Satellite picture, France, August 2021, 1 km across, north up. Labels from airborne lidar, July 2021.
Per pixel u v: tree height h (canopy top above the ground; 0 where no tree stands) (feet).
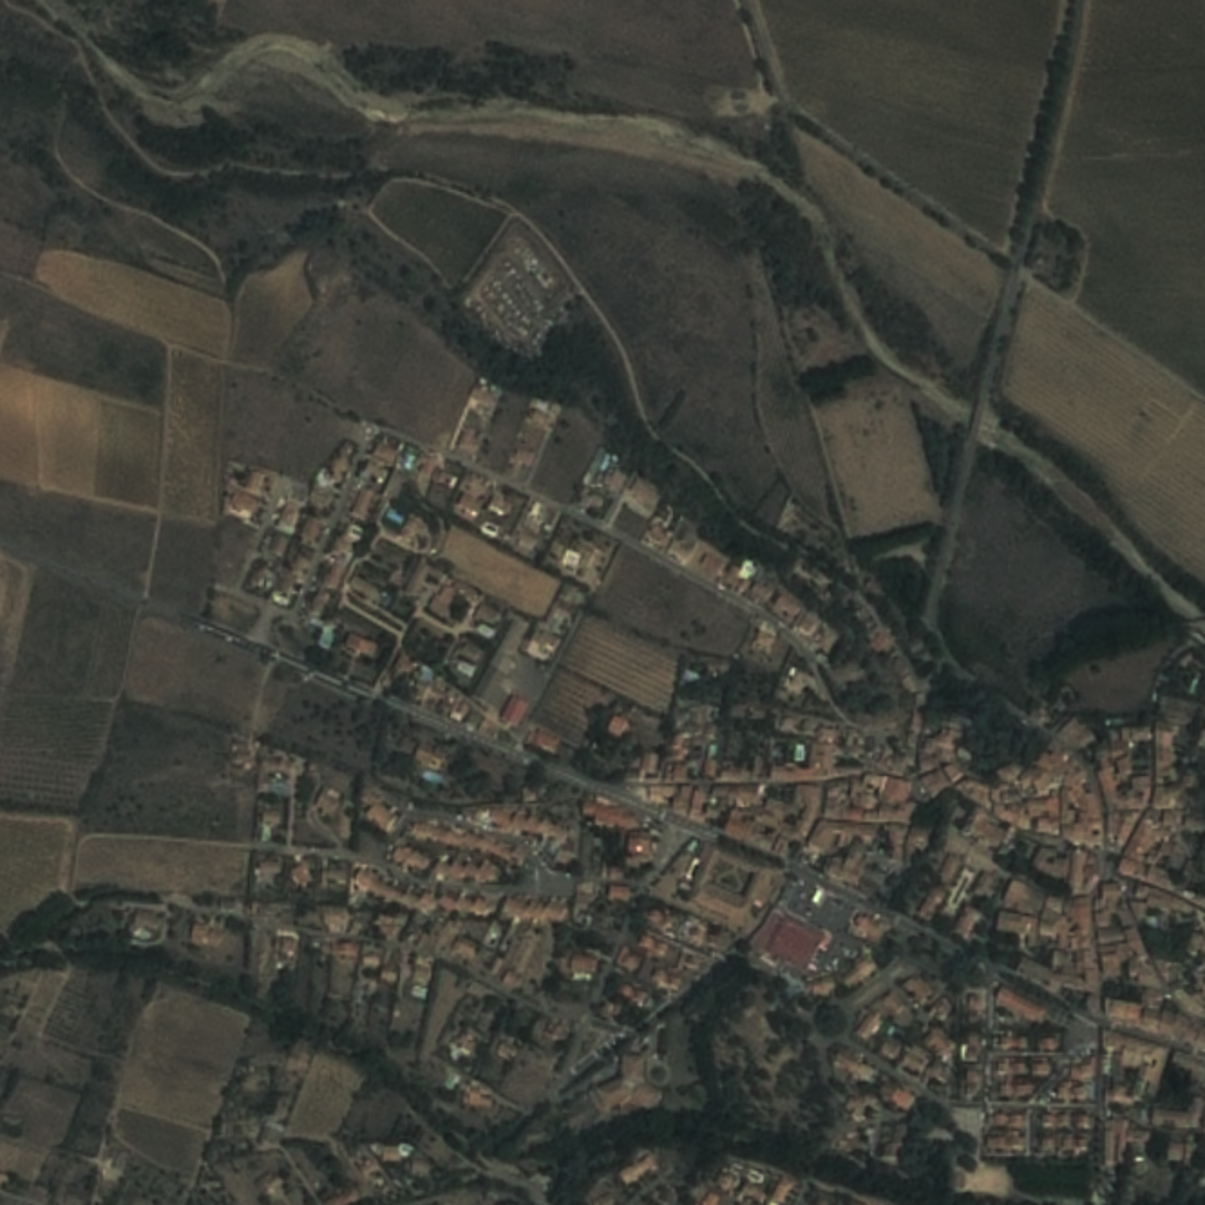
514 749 0
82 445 0
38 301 0
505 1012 31
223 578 0
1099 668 23
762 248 18
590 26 0
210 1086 0
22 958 21
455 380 0
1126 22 0
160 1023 0
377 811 0
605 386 23
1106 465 0
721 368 0
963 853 0
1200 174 0
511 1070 28
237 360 0
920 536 50
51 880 0
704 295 0
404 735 27
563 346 25
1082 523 34
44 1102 0
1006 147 0
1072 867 0
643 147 0
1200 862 25
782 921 0
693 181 0
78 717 0
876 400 0
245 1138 0
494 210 0
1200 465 0
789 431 0
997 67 0
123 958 40
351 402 0
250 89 0
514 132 0
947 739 0
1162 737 0
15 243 0
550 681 0
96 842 0
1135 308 0
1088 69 0
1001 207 0
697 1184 33
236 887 0
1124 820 0
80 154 0
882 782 0
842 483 0
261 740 21
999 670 18
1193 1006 0
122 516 0
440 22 0
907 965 0
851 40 0
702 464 0
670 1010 19
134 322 0
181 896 0
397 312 0
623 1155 27
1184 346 0
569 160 0
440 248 0
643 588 0
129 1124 0
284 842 22
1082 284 0
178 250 0
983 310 0
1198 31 0
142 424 0
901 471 0
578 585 20
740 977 22
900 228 0
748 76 0
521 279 0
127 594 0
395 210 0
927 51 0
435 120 0
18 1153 0
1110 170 0
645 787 0
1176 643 20
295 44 0
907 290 0
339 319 0
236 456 0
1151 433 0
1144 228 0
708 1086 22
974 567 0
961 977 74
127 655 0
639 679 0
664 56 0
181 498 0
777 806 0
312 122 0
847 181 0
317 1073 0
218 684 0
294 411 0
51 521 0
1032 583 0
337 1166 33
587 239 0
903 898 40
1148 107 0
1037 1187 65
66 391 0
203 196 18
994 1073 0
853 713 33
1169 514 0
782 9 0
